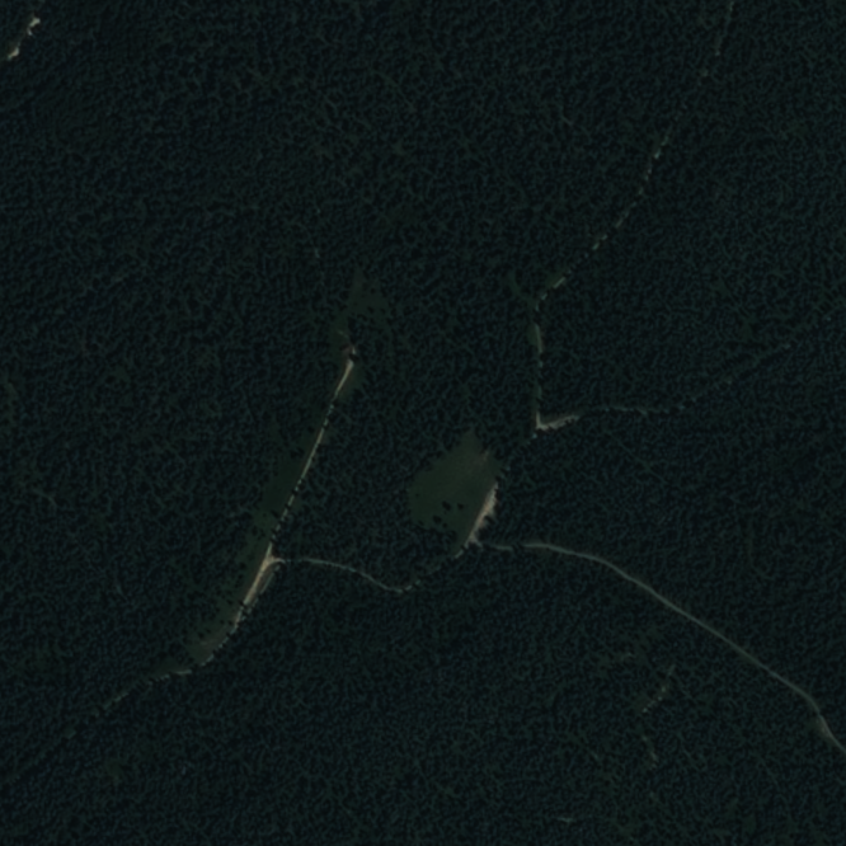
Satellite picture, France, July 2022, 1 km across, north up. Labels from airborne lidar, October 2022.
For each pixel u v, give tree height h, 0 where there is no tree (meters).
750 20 10
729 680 15
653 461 21
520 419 14
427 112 27
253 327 24
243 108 26
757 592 23
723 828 10
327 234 18
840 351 22
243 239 23
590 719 10
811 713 18
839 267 12
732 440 26
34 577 20
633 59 24
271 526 0
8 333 19
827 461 27
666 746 18
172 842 23
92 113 20
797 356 12
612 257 9
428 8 28
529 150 8
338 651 6
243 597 0
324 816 15
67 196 18
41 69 20
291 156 17
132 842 21
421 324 10
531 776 15
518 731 16
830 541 28
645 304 17
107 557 27
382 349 20
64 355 28
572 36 15
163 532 27
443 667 12
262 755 27
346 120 14
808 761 6
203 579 14
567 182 16
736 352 26
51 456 17
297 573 14
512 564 17
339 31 24
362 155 17
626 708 21
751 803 15
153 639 18
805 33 23
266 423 17
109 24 21
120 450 31
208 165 16
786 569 18
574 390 7
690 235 20
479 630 13
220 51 16
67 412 23
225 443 27
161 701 16
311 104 18
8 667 26
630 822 15
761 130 17
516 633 27
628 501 24
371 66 9
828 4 26
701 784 18
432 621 17
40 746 22
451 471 0
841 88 10
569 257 19
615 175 21
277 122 20
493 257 27
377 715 26
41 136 19
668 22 25
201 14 7
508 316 7
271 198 18
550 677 10
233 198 21
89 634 19
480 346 16
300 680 17
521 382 19
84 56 24
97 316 22
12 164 22
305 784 18
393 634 11
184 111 24
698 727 17
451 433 22
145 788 22
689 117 10
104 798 23
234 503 16
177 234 26
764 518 15
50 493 21
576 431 11
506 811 15
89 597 26
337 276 15
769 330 17
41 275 18
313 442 0
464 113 20
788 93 13
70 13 17
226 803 18
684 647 24
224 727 20
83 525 27
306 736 25
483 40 25
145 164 26
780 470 6
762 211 22
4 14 24
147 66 31
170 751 19
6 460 25
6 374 18
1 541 28
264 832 24
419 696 25
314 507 9
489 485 0
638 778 16
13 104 25
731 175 22
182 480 24
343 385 0
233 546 19
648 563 8
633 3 28
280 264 22
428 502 0
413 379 7
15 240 16
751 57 22
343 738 26
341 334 0
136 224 21
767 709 13
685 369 13
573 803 13
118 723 13
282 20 25
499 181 21
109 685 21
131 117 20
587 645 18
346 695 23
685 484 13
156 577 27
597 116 18
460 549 0
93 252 29
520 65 19
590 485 27
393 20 29
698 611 22
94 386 17
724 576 15
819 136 13
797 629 8
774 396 17
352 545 18
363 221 16
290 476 0
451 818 23
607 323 25
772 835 12
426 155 27
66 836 21
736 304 26
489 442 12
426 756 18
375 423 18
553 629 29
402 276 24
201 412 12
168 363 8
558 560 13
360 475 9
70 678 9
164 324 26
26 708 27
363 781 14
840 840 9
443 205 17
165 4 22
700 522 18
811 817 18
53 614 8
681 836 13
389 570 10
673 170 28
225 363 19
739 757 13
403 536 21
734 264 13
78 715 24
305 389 21
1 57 20
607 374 20
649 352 7
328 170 25
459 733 18
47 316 19
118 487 24
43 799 24
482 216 18
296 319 14
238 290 17
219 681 8
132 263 21
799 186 26
